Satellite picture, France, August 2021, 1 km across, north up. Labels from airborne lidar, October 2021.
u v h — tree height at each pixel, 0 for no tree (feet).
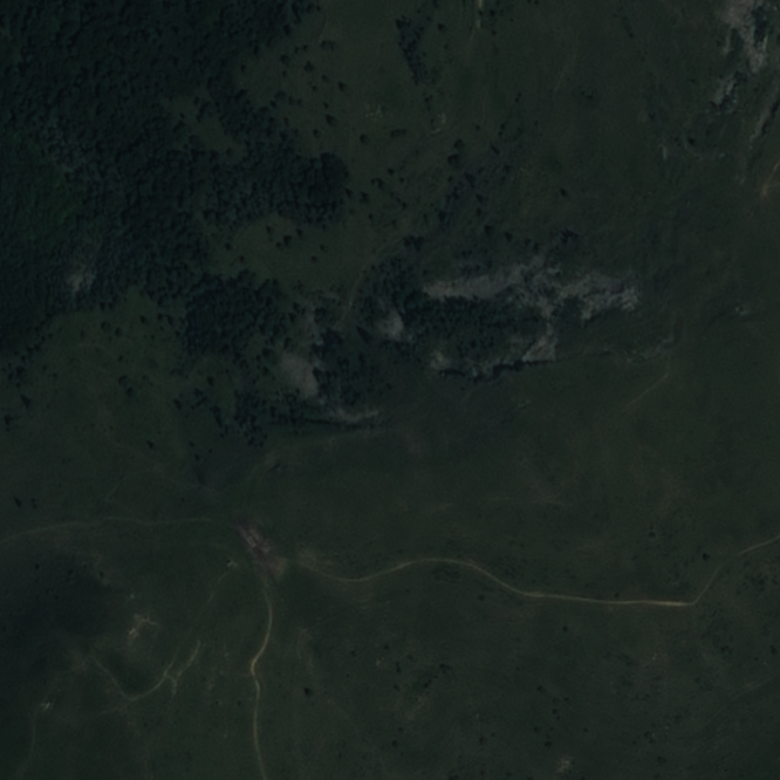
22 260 60
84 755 0
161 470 0
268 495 0
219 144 0
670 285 0
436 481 0
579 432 0
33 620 0
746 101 0
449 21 0
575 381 0
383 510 0
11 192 68
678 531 0
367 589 0
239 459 0
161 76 33
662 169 0
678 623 0
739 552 0
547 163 0
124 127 39
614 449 0
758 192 0
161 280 24
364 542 0
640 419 0
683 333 0
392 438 0
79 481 0
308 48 24
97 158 21
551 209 0
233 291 62
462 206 0
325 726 0
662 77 0
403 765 0
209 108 38
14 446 0
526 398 0
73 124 58
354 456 0
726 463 0
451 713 0
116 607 0
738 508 0
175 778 0
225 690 0
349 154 0
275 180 20
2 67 26
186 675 0
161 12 24
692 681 0
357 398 22
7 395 0
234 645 0
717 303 0
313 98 0
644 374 0
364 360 23
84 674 0
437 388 0
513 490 0
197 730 0
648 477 0
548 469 0
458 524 0
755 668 0
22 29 27
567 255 0
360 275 0
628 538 0
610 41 0
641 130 0
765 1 0
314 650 0
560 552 0
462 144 34
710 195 0
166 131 62
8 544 0
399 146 0
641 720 0
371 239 0
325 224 24
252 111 20
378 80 0
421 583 0
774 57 0
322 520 0
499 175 0
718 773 0
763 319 0
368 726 0
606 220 0
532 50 0
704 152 0
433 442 0
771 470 0
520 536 0
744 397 0
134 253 29
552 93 0
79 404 0
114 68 23
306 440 0
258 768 0
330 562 0
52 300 41
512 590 0
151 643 0
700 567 0
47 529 0
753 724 0
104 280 37
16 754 0
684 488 0
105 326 27
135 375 0
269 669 0
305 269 0
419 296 45
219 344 55
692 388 0
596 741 0
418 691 0
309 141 0
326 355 64
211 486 0
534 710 0
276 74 0
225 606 0
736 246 0
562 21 0
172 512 0
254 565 0
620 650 0
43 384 0
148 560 0
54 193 85
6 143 95
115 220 35
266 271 0
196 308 31
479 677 0
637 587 0
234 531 0
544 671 0
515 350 0
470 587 0
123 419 0
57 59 95
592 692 0
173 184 70
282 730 0
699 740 0
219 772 0
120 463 0
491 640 0
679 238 0
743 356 0
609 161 0
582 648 0
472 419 0
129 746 0
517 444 0
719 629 0
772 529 0
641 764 0
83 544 0
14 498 0
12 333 75
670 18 0
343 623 0
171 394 0
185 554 0
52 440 0
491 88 0
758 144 0
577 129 0
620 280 0
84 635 0
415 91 0
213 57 29
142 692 0
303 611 0
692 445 0
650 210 0
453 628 0
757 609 0
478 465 0
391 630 0
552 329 0
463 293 0
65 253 34
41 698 0
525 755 0
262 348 0
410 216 0
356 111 0
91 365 0
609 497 0
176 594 0
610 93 0
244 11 39
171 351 0
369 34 0
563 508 0
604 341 0
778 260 0
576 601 0
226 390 0
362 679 0
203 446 0
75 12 79
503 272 0
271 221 0
